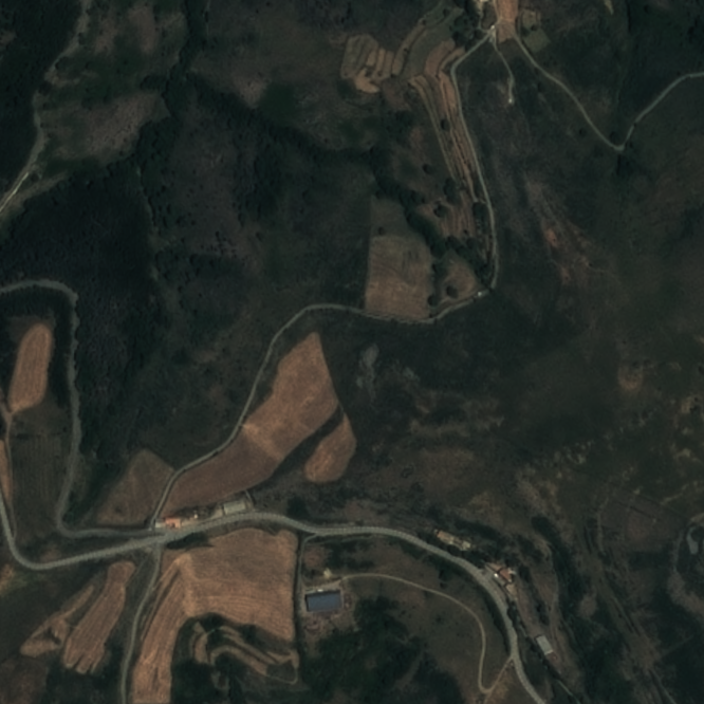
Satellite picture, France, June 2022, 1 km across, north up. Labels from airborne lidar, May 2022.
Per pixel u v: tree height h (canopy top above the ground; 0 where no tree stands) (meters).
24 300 7
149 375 0
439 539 8
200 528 0
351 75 0
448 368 0
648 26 0
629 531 0
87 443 12
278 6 0
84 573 0
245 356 0
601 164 0
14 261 17
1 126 18
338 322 0
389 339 0
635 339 0
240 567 0
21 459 0
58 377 9
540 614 7
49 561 0
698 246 0
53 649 0
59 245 18
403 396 0
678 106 0
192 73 13
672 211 0
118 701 0
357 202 0
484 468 0
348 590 0
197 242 0
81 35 11
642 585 0
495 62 0
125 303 15
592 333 0
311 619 0
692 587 0
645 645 0
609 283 0
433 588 0
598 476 0
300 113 0
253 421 0
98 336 14
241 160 5
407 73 0
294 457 0
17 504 0
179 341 0
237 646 0
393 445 0
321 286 0
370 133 0
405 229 0
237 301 0
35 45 14
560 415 0
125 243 13
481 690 0
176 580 0
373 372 0
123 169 24
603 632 0
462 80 0
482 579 0
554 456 0
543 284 0
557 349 0
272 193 10
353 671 0
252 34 0
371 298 0
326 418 0
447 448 0
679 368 0
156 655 0
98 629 0
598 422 0
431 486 0
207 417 0
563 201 0
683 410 0
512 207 0
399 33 0
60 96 0
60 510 0
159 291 16
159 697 0
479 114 0
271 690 0
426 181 0
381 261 0
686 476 0
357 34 0
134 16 0
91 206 22
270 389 0
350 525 0
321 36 0
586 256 0
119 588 0
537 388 0
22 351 0
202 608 0
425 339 0
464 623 0
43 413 0
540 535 0
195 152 0
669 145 0
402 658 15
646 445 0
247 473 0
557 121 0
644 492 0
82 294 14
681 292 0
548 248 0
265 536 0
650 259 0
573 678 0
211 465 0
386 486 0
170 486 0
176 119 12
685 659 0
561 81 0
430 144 0
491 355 0
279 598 0
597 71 0
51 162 0
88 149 0
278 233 0
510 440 0
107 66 0
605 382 0
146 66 0
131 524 0
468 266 0
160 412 0
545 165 0
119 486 0
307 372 0
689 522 0
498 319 0
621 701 0
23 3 16
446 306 0
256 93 0
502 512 0
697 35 17
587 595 0
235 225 0
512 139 0
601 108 0
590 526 0
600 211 0
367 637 0
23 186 0
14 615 0
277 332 0
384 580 0
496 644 0
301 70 0
